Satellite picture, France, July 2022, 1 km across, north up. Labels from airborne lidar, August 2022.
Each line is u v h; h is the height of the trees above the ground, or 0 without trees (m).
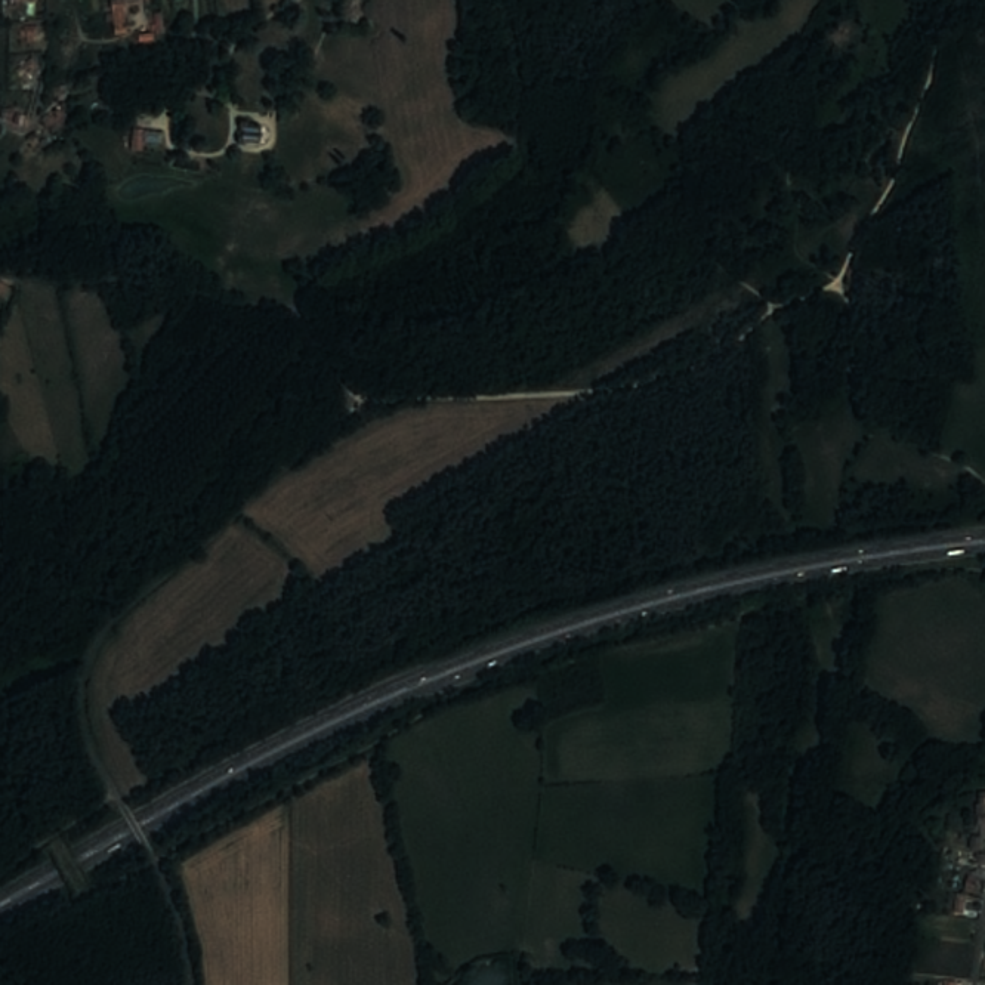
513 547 20
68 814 23
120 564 26
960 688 0
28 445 0
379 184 22
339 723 0
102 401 0
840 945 25
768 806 20
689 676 0
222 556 0
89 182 25
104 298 15
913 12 12
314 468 0
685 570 17
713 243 20
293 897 0
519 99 20
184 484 30
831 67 23
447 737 0
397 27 0
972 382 19
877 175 8
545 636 0
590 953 26
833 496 0
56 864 10
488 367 16
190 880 0
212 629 0
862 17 20
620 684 0
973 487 18
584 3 15
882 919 21
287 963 0
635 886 15
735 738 7
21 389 0
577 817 0
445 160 0
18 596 25
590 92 26
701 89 0
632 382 11
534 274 14
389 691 0
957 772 20
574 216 0
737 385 20
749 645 8
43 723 28
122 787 0
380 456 0
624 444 20
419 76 0
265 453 16
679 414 23
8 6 0
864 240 19
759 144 23
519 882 0
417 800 0
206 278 22
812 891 23
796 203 15
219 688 25
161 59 17
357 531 0
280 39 0
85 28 0
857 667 23
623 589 14
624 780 0
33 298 0
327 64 0
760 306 13
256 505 0
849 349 24
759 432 7
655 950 0
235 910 0
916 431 17
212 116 11
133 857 8
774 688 9
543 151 22
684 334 9
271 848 0
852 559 0
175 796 0
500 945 0
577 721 0
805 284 16
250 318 21
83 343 0
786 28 0
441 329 18
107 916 19
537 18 19
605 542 23
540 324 20
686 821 0
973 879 0
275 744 0
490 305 12
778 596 19
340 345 22
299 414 21
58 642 19
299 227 0
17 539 21
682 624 15
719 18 10
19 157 10
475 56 21
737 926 23
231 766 0
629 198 0
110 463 19
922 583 10
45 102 11
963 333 19
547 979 19
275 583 0
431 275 12
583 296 11
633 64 0
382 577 25
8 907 0
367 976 0
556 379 14
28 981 20
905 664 0
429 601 23
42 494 22
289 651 21
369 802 0
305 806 0
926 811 6
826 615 0
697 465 24
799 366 20
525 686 12
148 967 20
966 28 15
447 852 0
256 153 0
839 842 18
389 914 10
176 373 29
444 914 0
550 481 21
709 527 21
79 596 24
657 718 0
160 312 18
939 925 0
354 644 25
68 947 15
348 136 0
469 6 17
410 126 0
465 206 24
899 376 25
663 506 26
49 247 20
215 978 0
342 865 0
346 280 24
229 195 0
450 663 0
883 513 19
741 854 13
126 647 0
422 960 14
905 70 10
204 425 34
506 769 0
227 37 16
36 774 26
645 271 16
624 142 14
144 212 0
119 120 16
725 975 20
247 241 0
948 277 28
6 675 23
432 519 15
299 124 0
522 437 14
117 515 26
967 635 0
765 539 12
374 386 15
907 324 20
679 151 9
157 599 0
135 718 20
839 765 11
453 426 0
